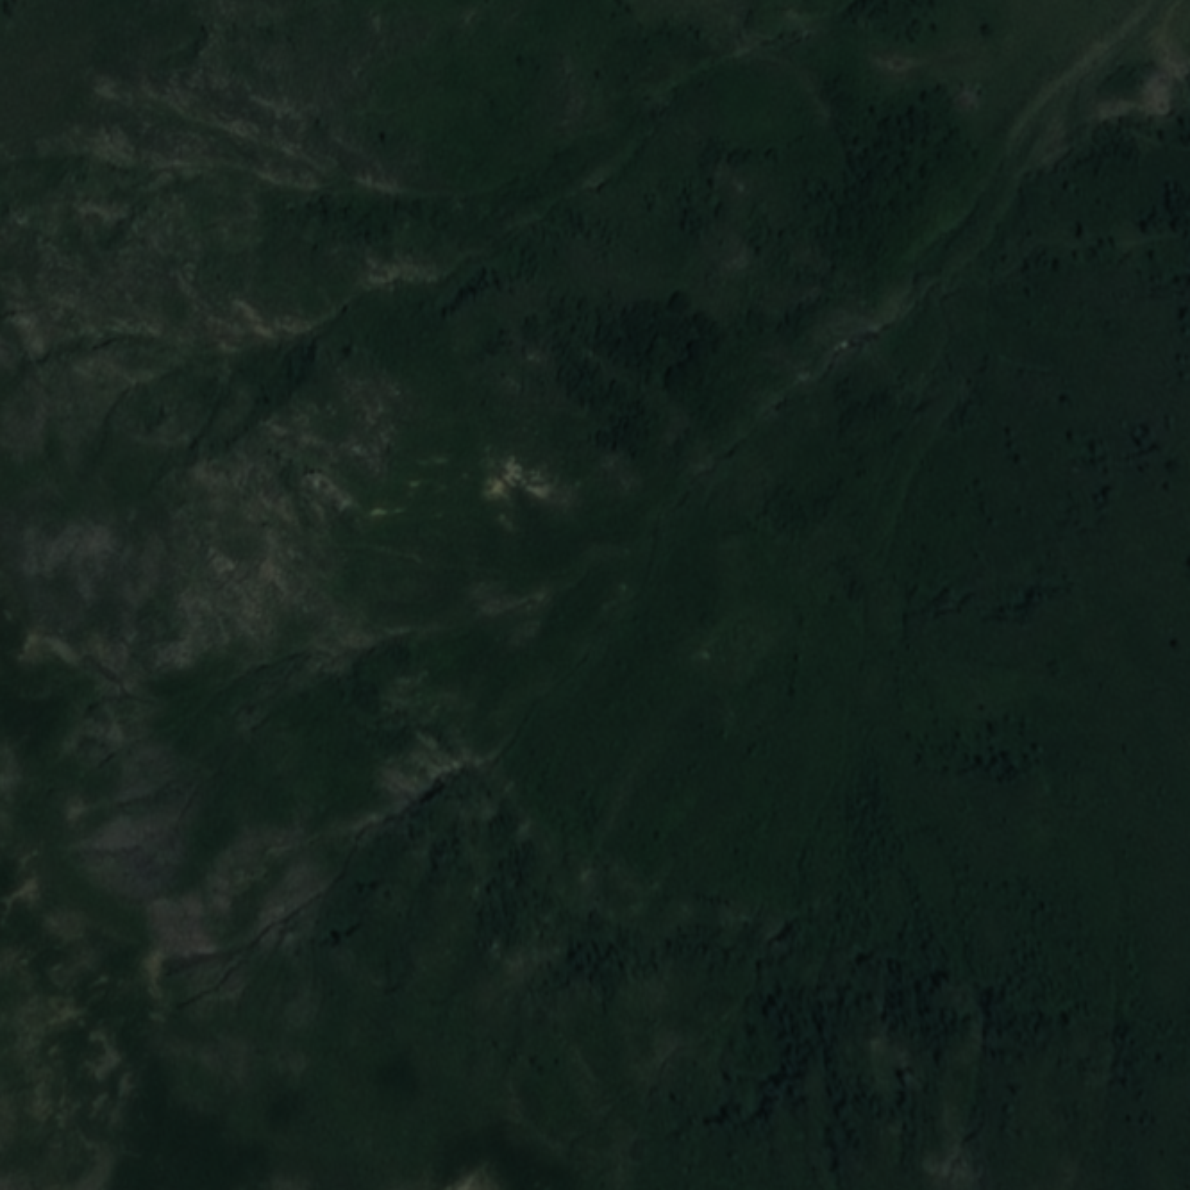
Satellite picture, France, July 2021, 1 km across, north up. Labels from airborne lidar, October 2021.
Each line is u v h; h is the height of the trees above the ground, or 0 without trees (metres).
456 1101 0
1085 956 7
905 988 7
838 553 0
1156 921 0
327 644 0
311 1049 0
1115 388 0
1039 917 6
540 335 10
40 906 0
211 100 0
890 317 0
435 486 0
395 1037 0
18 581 0
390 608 0
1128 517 0
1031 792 0
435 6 0
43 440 0
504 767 0
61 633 0
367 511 0
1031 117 0
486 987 0
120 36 0
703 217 11
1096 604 0
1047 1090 0
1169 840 0
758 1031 11
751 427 0
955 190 8
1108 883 0
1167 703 0
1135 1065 6
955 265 0
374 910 0
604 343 12
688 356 15
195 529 0
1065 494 0
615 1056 0
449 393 0
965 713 0
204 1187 0
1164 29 0
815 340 0
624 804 0
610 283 0
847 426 7
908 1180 0
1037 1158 0
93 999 0
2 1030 0
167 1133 0
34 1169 0
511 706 0
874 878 6
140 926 0
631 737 0
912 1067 0
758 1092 0
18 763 0
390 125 0
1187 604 0
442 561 0
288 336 0
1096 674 0
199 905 0
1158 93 0
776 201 0
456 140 0
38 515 0
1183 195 12
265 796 0
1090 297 0
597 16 0
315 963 0
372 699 11
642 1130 0
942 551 0
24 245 0
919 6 10
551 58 0
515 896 12
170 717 0
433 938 0
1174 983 0
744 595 0
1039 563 0
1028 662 0
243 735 0
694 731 0
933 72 0
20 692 0
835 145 0
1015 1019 8
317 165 0
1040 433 0
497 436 0
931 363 0
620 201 0
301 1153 0
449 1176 0
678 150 0
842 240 18
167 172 0
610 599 0
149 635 0
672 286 0
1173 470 8
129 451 0
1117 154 8
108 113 0
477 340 0
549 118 0
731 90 0
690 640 0
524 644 0
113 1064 0
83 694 0
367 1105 0
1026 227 0
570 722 0
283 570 8
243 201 0
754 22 8
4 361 0
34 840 0
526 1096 0
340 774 0
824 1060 10
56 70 0
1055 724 0
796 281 7
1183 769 0
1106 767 0
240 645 0
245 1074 0
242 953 0
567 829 7
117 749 0
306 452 0
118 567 0
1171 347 0
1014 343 0
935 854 0
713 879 0
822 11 0
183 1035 0
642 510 0
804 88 0
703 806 0
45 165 0
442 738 6
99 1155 0
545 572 0
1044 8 0
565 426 0
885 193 19
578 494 0
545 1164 0
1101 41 0
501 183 0
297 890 0
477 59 0
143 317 0
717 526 0
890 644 0
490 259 0
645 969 11
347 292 0
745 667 0
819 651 0
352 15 0
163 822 0
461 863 8
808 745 0
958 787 0
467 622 0
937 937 8
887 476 0
